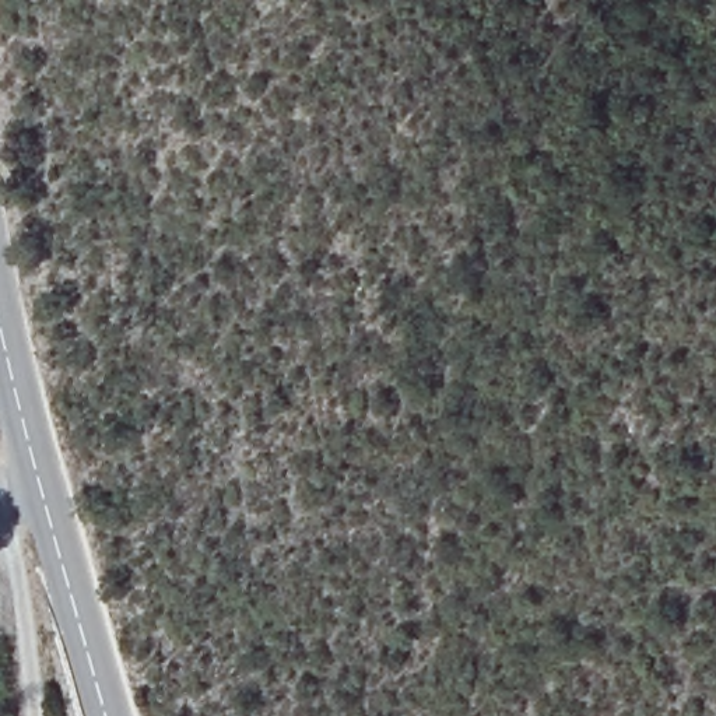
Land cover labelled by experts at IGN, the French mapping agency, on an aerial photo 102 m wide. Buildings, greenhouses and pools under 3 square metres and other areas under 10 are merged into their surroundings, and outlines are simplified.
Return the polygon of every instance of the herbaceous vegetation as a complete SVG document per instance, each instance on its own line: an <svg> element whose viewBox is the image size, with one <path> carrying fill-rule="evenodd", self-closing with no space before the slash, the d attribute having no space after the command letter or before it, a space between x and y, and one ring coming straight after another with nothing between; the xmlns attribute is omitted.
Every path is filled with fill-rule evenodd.
<svg viewBox="0 0 716 716"><path fill-rule="evenodd" d="M8 576L0 568L0 716L22 716L22 688L14 640L14 601Z"/></svg>

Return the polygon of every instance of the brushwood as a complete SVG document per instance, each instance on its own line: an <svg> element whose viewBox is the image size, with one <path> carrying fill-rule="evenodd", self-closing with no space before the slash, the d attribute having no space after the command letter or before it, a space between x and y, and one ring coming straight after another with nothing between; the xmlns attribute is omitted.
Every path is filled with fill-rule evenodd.
<svg viewBox="0 0 716 716"><path fill-rule="evenodd" d="M48 364L45 386L67 459L84 459L87 470L95 475L92 484L84 484L76 492L78 517L92 526L92 551L101 568L101 599L109 604L120 654L126 660L129 682L143 716L716 716L716 0L0 0L0 204L22 210L20 232L11 238L6 249L6 263L17 266L20 274L34 274L42 260L50 266L50 291L45 291L34 302L34 344L39 361Z"/></svg>
<svg viewBox="0 0 716 716"><path fill-rule="evenodd" d="M45 682L45 716L67 716L67 696L59 680Z"/></svg>

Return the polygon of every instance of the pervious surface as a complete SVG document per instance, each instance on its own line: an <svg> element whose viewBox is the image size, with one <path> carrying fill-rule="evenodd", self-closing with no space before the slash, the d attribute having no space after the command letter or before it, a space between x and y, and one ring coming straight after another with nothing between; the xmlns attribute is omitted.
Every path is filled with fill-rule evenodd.
<svg viewBox="0 0 716 716"><path fill-rule="evenodd" d="M14 640L22 688L22 716L45 716L45 682L39 668L36 629L22 540L14 537L20 512L11 495L0 489L0 568L8 576L14 601Z"/></svg>

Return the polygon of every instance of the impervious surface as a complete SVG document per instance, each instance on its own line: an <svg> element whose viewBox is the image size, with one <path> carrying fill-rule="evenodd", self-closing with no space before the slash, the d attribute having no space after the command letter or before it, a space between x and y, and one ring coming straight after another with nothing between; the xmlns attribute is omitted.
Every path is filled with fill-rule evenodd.
<svg viewBox="0 0 716 716"><path fill-rule="evenodd" d="M14 537L22 540L36 629L45 627L53 635L53 660L59 680L67 696L67 716L143 716L129 682L126 660L120 654L109 604L101 599L101 568L92 551L92 526L78 517L76 492L67 459L45 386L48 364L39 361L34 344L34 302L22 291L20 274L17 266L6 263L6 249L11 238L20 232L22 210L0 204L0 489L11 495L20 512Z"/></svg>

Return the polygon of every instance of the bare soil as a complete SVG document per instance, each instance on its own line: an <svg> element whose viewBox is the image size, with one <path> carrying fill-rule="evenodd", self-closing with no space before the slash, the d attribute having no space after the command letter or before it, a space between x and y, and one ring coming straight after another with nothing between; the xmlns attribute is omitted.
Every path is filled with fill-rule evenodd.
<svg viewBox="0 0 716 716"><path fill-rule="evenodd" d="M95 475L87 470L84 459L67 459L76 492L84 484L92 484Z"/></svg>
<svg viewBox="0 0 716 716"><path fill-rule="evenodd" d="M45 682L59 680L53 660L53 635L45 627L36 629L39 668Z"/></svg>
<svg viewBox="0 0 716 716"><path fill-rule="evenodd" d="M50 266L42 260L34 274L20 274L22 291L34 302L45 291L50 291Z"/></svg>

